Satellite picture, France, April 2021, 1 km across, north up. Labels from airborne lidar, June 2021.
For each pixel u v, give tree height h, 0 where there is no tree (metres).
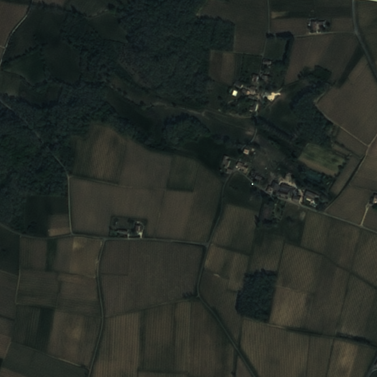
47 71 15
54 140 27
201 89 22
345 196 0
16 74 0
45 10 17
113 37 0
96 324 0
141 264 0
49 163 14
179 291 0
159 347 0
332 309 0
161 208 0
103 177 0
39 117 23
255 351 0
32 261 0
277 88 16
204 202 0
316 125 18
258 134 0
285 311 0
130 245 0
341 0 0
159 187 0
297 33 0
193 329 0
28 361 0
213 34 9
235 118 0
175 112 0
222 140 15
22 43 0
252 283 17
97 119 17
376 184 0
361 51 0
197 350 0
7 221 13
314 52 0
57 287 0
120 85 0
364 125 0
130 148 0
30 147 22
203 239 0
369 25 0
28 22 0
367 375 0
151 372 0
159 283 0
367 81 0
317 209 10
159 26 24
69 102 12
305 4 0
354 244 0
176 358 0
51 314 0
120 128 19
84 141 0
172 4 23
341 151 0
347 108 0
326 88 18
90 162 0
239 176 0
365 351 0
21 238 0
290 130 0
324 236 0
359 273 0
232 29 15
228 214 0
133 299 0
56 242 0
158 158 0
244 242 0
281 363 0
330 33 0
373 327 0
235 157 0
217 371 0
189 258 0
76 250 0
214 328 0
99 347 0
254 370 0
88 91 18
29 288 0
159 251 0
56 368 0
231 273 0
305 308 0
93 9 0
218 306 0
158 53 7
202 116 0
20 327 0
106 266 0
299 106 23
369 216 0
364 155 0
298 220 0
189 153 0
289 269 0
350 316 0
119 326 0
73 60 0
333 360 0
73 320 0
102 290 0
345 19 0
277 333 0
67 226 0
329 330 0
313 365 0
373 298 0
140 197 0
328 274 0
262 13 0
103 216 0
